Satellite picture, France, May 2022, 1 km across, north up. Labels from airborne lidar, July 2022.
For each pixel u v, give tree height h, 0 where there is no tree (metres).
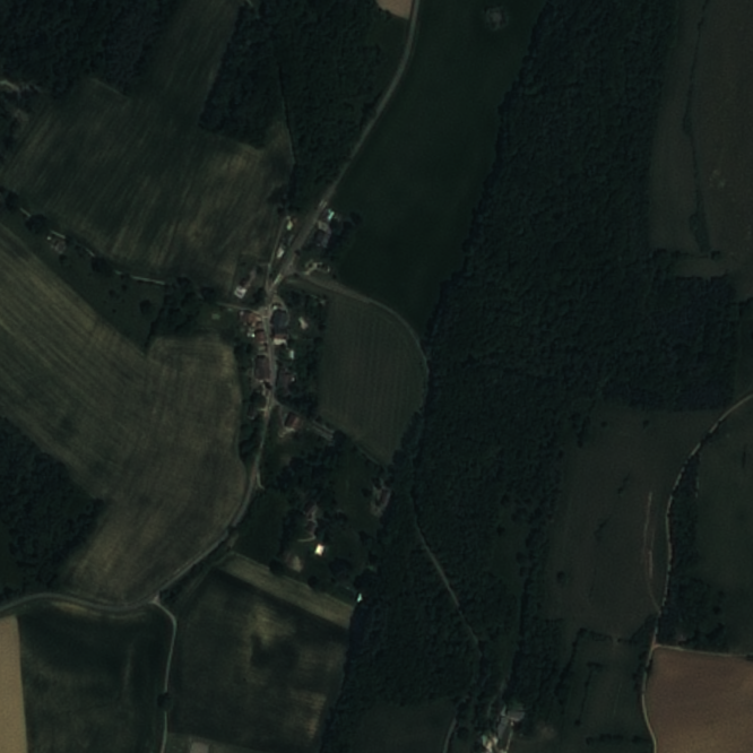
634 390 9
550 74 21
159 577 0
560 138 19
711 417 0
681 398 9
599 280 17
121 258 0
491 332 19
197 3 0
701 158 0
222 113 8
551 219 13
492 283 17
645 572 0
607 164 14
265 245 0
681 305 10
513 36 0
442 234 0
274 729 0
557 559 0
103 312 0
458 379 21
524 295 14
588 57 16
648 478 0
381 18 13
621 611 0
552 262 21
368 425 0
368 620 33
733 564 0
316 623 0
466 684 19
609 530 0
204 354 0
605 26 21
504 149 20
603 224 13
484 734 11
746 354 0
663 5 11
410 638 21
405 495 16
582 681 0
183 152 0
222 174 0
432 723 0
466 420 18
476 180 0
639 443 0
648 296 11
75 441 0
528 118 22
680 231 0
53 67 20
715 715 0
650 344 17
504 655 0
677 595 7
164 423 0
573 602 0
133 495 0
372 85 17
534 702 13
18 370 0
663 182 0
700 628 15
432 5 0
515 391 16
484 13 7
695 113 0
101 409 0
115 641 0
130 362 0
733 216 0
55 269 0
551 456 16
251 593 0
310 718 0
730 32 0
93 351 0
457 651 20
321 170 17
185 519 0
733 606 0
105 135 0
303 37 16
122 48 25
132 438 0
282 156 0
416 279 0
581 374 16
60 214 0
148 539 0
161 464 0
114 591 0
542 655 8
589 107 18
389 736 0
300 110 11
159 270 0
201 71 0
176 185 0
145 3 30
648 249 7
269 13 27
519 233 14
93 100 0
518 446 17
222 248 0
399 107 0
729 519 0
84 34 28
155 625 0
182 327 20
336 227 17
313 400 7
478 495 17
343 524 14
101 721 0
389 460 0
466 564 19
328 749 11
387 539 23
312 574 0
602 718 0
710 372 11
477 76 0
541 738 0
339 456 23
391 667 25
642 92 10
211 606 0
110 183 0
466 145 0
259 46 23
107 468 0
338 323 0
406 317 0
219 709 0
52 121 0
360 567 0
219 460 0
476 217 18
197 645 0
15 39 20
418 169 0
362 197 0
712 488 0
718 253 8
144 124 0
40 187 0
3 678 0
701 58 0
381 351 0
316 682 0
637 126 9
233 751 0
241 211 0
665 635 8
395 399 0
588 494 0
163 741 0
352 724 13
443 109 0
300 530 15
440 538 19
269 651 0
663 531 0
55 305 0
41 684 0
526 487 13
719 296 9
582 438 15
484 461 14
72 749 0
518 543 0
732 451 0
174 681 0
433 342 17
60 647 0
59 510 12
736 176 0
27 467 21
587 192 15
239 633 0
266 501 7
